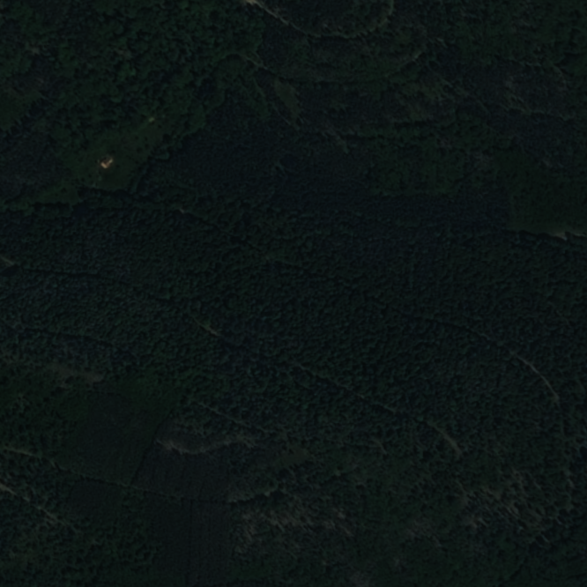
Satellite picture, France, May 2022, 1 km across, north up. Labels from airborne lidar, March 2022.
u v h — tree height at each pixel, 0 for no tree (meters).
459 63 23
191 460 22
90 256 25
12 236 28
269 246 32
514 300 29
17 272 15
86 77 23
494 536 24
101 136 29
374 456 14
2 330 20
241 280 31
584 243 19
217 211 31
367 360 28
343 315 26
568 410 27
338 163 29
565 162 21
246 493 11
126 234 28
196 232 28
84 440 13
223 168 32
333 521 26
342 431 23
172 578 13
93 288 18
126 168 0
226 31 28
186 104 21
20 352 7
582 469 21
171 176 27
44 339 16
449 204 33
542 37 21
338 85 22
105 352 19
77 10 26
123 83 26
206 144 26
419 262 33
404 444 19
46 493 13
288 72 19
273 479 8
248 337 24
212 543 21
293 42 16
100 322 20
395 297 26
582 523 21
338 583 19
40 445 8
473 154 29
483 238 35
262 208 27
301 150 26
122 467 14
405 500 17
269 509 21
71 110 30
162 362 23
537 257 29
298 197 30
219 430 14
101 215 25
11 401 9
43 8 24
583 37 20
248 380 23
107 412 13
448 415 23
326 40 21
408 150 33
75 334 12
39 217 30
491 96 21
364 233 33
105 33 22
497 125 23
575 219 20
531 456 18
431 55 18
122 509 9
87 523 15
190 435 13
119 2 26
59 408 8
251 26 17
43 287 19
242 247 28
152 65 28
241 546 18
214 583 20
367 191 28
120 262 24
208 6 31
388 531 23
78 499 16
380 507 25
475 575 21
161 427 20
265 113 24
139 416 14
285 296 28
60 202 0
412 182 34
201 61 25
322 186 30
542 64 16
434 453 18
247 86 26
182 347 25
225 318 40
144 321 23
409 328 30
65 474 12
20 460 8
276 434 14
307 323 28
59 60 32
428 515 21
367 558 23
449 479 23
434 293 29
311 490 26
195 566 20
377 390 25
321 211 30
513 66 19
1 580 15
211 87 37
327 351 29
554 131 19
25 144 26
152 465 24
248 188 33
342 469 19
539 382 22
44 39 29
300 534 23
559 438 19
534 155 17
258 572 15
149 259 26
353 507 26
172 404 13
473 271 30
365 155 26
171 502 9
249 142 32
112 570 19
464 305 25
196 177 30
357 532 19
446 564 20
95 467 11
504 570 21
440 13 27
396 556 21
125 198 29
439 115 24
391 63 15
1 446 20
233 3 30
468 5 30
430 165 26
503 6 17
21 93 31
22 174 25
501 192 29
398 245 27
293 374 24
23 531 7
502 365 22
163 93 26
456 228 35
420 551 24
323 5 22
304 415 20
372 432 11
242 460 15
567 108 15
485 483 19
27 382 13
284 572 14
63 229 31
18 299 19
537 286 29
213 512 20
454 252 31
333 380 20
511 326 27
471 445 17
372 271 28
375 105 22
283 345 23
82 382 6
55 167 30
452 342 28
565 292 27
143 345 24
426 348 28
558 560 27
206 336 24
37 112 31
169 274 26
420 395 26
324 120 24
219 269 28
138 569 15
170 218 27
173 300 22
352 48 23
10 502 16
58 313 17
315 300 27
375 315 30
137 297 22
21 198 20
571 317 26
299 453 0
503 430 24
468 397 25
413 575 22
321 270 26
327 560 22
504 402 25
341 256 27
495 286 28
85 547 8
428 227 30
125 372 9
